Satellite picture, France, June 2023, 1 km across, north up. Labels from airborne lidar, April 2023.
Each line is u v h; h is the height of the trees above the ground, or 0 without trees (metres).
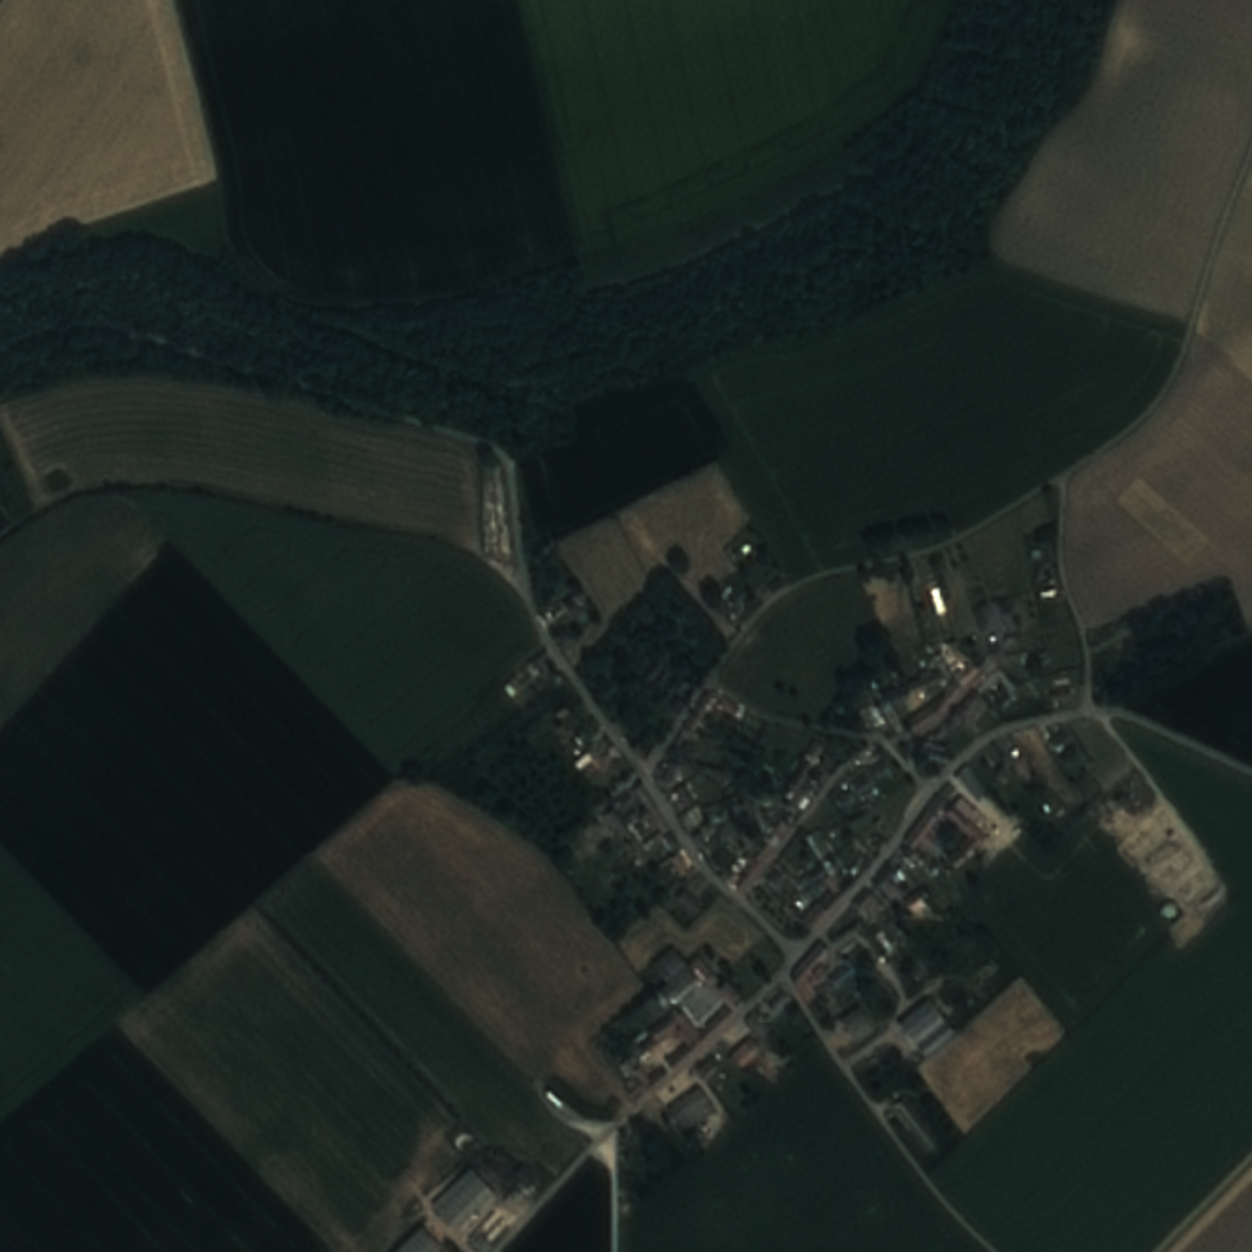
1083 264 0
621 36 0
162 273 20
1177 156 0
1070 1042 0
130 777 0
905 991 0
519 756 9
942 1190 0
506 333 20
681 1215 0
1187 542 0
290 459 0
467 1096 0
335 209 0
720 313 20
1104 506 0
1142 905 0
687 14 0
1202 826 0
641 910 15
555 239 0
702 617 15
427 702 0
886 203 23
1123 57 0
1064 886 0
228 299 19
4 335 18
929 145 21
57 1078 0
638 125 0
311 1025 0
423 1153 0
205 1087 0
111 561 0
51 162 0
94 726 0
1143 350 0
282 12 0
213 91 0
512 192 0
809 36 0
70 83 0
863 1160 0
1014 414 0
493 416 19
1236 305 0
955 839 11
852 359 0
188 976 0
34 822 0
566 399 18
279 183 0
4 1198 0
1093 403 0
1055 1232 0
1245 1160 0
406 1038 0
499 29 0
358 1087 0
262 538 0
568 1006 0
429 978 0
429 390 17
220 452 0
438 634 0
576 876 0
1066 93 15
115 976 0
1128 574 0
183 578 0
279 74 0
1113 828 0
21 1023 0
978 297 0
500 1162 0
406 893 0
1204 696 0
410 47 0
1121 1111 0
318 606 0
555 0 0
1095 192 0
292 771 0
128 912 0
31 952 0
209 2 0
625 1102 0
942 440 0
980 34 18
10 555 0
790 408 0
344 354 20
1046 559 0
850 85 0
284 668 0
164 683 0
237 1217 0
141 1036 0
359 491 0
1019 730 0
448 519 0
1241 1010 0
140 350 8
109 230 0
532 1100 0
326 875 0
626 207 0
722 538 0
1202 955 0
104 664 0
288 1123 0
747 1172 0
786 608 0
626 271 0
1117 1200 0
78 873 0
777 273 20
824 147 0
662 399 0
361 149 0
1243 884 0
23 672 0
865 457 0
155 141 0
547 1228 0
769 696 0
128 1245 0
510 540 0
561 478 0
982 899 0
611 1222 0
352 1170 0
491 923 0
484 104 0
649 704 5
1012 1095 0
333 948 0
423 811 0
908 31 0
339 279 0
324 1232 0
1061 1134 0
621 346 15
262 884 0
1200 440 0
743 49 0
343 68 0
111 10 0
